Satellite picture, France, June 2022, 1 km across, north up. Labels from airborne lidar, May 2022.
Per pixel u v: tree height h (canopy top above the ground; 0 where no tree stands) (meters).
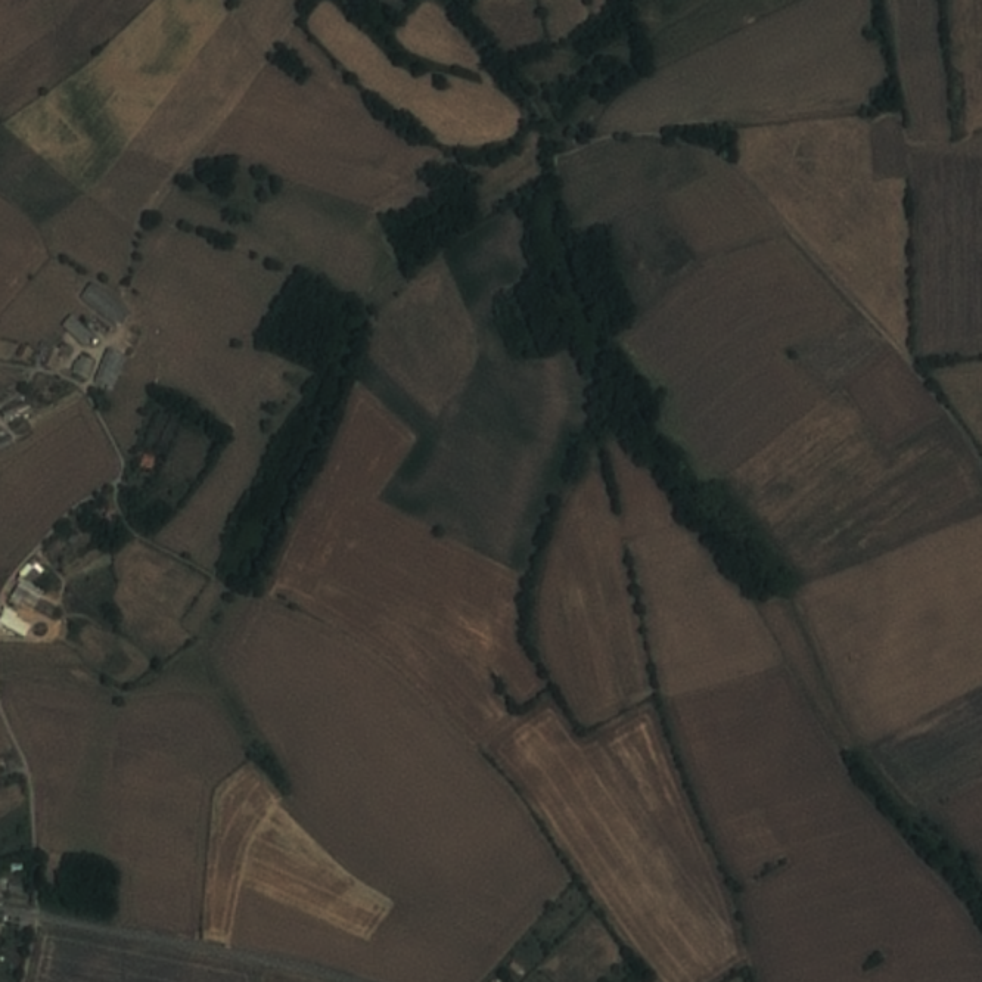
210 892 0
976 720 0
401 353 0
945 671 0
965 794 0
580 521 0
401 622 0
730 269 0
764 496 0
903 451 0
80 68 0
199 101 0
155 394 14
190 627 0
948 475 0
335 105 0
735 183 0
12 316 0
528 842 0
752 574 9
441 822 0
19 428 0
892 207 0
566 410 0
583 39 15
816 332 0
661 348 0
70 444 0
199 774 0
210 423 16
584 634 0
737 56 0
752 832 0
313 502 0
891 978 0
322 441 17
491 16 0
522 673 0
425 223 10
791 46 0
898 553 0
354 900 0
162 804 0
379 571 0
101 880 14
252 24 0
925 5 0
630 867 0
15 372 0
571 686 0
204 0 0
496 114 0
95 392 10
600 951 0
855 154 0
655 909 0
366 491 0
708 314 0
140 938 0
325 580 0
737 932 0
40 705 0
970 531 0
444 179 21
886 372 0
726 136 11
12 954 0
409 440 0
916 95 0
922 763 0
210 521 0
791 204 0
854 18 0
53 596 0
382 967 0
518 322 6
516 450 0
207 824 0
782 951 0
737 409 0
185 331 0
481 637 0
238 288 0
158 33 0
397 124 15
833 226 0
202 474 7
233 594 10
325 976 0
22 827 8
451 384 0
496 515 0
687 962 0
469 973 0
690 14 0
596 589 0
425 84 0
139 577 0
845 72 0
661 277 0
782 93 0
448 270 0
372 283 0
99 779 0
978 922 9
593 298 18
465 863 0
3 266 0
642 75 14
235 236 13
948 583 0
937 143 0
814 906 0
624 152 0
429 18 0
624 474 0
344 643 0
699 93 0
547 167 14
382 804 0
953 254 0
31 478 0
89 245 0
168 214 0
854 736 0
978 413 0
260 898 0
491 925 0
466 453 0
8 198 0
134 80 0
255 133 0
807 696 0
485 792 0
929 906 0
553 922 0
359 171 0
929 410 0
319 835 0
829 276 0
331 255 0
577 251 20
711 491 6
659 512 0
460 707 0
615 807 0
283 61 13
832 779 0
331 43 0
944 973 0
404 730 0
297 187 0
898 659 0
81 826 0
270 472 8
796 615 0
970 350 0
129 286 10
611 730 0
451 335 0
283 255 0
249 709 0
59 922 0
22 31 0
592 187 0
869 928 0
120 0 0
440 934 0
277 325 17
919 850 17
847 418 0
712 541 15
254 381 0
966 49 0
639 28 23
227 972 0
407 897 0
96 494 11
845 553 0
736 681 0
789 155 0
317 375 7
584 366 17
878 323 0
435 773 0
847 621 0
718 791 0
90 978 0
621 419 18
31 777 0
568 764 0
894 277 0
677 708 0
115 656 0
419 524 0
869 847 0
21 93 0
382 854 0
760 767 0
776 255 0
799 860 0
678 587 0
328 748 0
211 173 23
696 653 0
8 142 0
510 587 0
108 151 0
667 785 0
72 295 0
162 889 0
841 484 0
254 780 0
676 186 0
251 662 0
